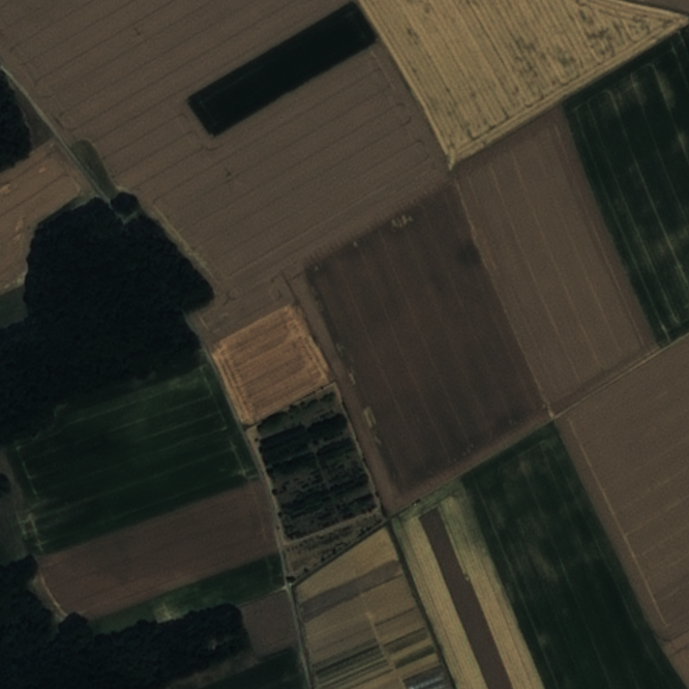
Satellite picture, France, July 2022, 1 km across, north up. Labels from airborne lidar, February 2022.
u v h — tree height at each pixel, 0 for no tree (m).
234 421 0
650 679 0
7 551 0
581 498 0
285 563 0
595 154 0
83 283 28
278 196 0
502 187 0
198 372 0
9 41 0
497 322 0
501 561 0
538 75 0
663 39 0
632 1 0
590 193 0
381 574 0
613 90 0
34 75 0
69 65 0
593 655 0
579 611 0
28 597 18
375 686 0
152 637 20
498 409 0
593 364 0
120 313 28
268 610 0
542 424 0
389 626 0
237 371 0
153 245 24
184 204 0
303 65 0
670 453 0
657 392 0
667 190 0
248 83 0
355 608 0
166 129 0
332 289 0
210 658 11
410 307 0
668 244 0
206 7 0
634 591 0
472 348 0
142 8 0
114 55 0
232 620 22
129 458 0
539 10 0
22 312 0
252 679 0
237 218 0
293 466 9
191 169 0
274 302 0
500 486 0
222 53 0
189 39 0
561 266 0
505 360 0
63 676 24
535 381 0
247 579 0
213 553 0
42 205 0
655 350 0
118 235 24
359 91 0
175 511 0
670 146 0
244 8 0
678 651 0
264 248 0
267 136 0
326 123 0
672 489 0
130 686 25
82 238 26
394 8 0
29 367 26
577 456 0
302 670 0
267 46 0
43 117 0
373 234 0
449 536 0
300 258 0
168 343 25
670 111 0
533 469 0
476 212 0
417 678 0
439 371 0
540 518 0
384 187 0
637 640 0
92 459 0
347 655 0
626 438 0
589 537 0
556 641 0
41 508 0
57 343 26
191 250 0
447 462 0
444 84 0
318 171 0
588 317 0
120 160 0
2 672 24
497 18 0
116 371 22
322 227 0
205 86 0
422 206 0
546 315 0
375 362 0
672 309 0
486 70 0
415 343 0
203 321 0
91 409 0
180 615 0
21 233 0
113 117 0
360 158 0
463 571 0
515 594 0
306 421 0
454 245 0
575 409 0
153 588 0
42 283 22
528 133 0
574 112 0
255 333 0
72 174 0
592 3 0
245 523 0
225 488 0
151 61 0
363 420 0
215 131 0
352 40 0
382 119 0
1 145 22
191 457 0
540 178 0
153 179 0
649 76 0
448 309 0
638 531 0
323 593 0
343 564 0
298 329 0
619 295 0
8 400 27
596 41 0
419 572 0
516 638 0
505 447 0
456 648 0
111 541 0
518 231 0
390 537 0
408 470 0
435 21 0
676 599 0
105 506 0
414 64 0
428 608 0
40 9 0
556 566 0
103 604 0
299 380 0
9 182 0
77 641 23
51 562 0
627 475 0
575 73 0
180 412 0
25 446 0
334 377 0
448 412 0
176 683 0
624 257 0
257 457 0
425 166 0
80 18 0
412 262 0
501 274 0
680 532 0
